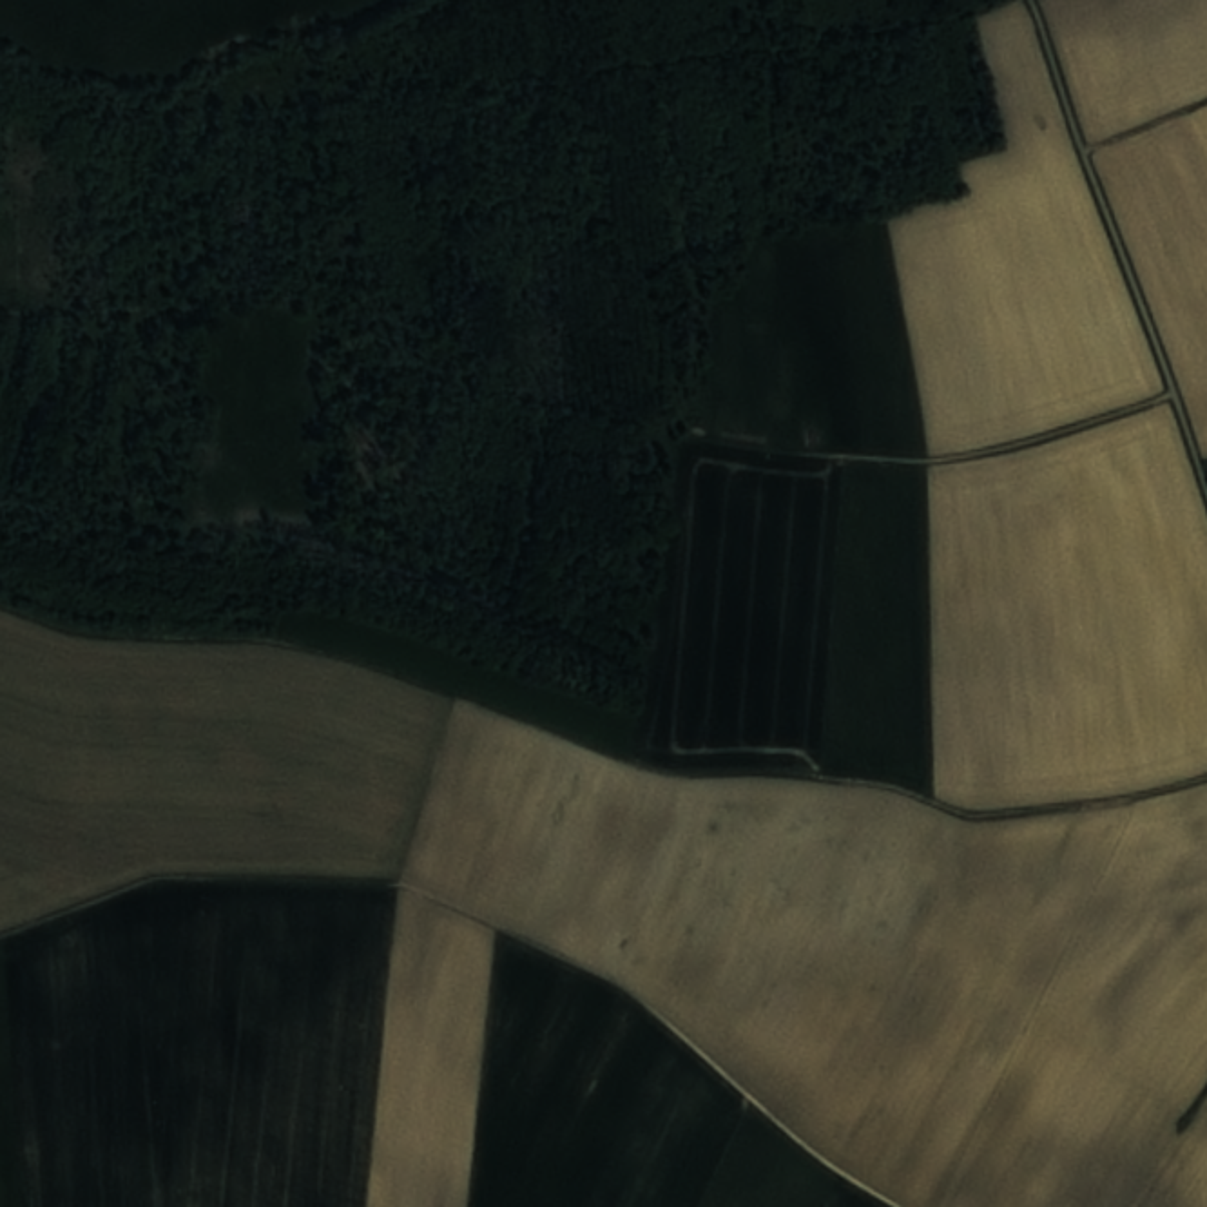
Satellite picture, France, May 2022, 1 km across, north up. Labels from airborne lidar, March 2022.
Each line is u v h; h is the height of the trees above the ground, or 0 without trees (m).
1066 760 0
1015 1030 0
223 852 0
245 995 0
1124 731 0
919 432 0
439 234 11
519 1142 0
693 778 0
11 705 0
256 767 0
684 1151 0
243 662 0
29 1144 0
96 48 0
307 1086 0
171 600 9
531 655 14
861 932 0
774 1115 0
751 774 0
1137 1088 0
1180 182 0
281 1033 0
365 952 0
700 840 0
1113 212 0
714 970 0
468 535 16
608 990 0
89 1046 0
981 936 0
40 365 22
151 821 0
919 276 0
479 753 0
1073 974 0
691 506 0
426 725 0
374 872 0
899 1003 0
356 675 0
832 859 0
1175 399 0
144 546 20
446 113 20
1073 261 0
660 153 17
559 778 0
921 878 0
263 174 26
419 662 0
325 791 0
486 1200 0
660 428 0
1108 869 0
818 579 0
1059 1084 0
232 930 0
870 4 0
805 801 0
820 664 0
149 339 24
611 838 0
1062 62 0
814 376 0
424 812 0
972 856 0
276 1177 0
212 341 0
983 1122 0
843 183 21
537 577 25
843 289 0
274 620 6
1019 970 0
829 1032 0
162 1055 0
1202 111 0
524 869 0
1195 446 0
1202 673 0
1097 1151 0
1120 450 0
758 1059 0
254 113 23
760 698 0
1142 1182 0
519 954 0
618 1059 0
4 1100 0
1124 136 0
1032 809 0
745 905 0
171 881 0
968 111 6
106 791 0
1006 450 0
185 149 23
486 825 0
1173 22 0
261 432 0
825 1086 0
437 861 0
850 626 0
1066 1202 0
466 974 0
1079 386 0
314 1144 0
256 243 20
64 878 0
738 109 15
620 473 27
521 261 23
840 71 18
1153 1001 0
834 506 0
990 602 0
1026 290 0
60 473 26
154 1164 0
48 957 0
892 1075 0
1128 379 0
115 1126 0
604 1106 0
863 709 0
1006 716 0
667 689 0
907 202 14
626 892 0
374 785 0
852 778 0
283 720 0
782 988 0
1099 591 0
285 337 0
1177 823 0
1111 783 0
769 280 0
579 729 0
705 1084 0
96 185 20
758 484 0
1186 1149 0
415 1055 0
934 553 0
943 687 0
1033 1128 0
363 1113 0
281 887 0
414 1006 0
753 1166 0
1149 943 0
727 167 15
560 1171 0
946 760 0
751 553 0
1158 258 0
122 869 0
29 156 0
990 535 0
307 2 0
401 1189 0
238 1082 0
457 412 26
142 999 0
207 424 18
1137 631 0
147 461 19
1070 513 0
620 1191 0
